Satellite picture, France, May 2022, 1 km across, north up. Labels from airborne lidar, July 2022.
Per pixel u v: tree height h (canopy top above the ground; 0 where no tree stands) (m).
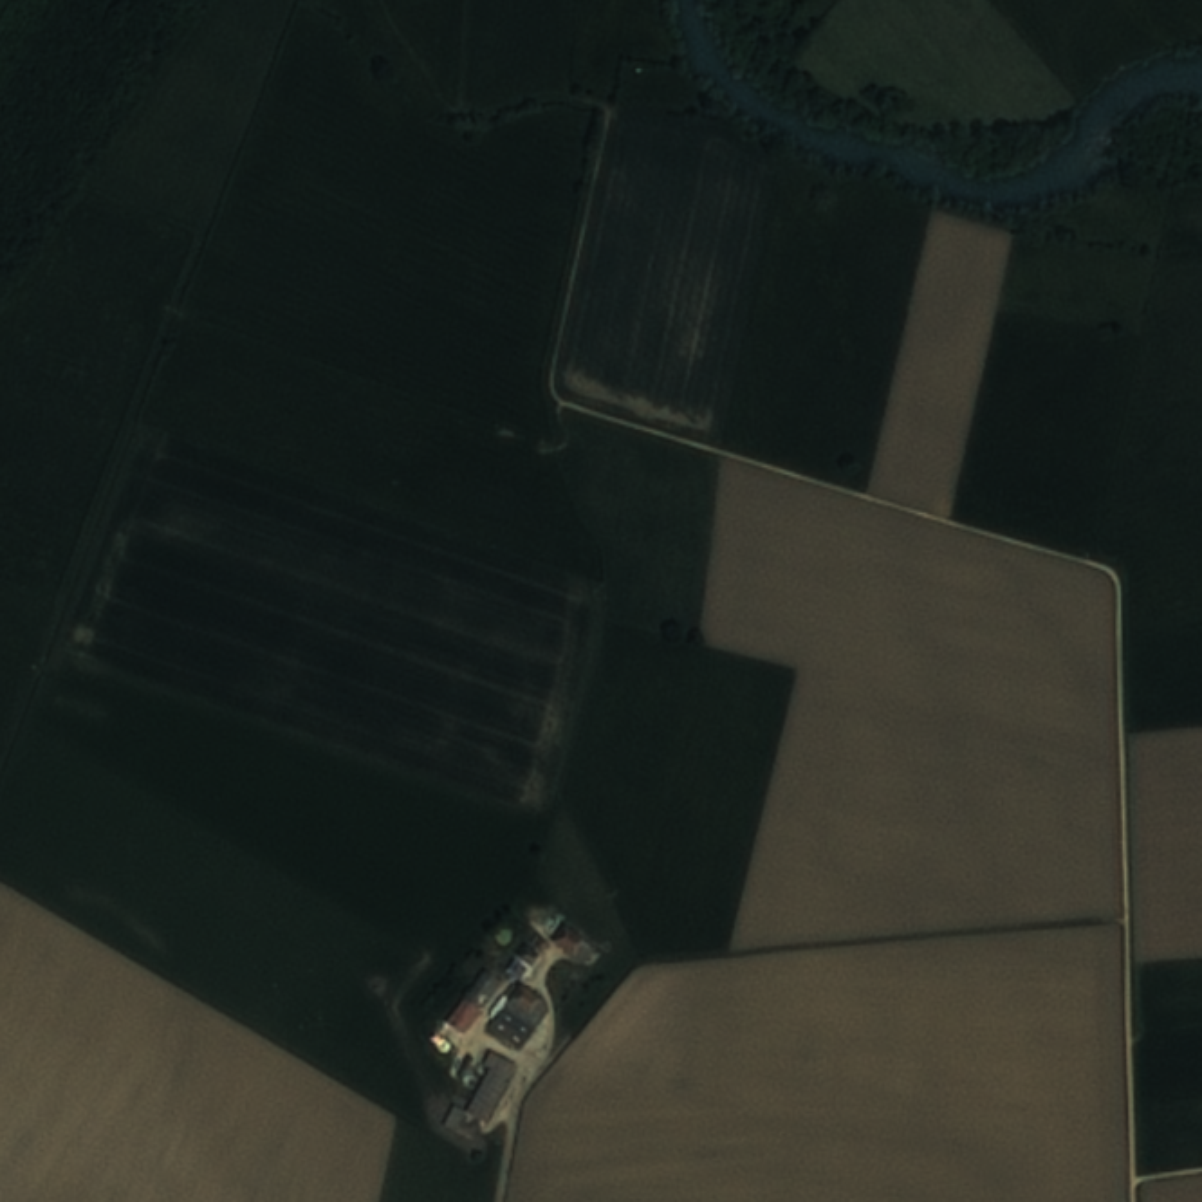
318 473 0
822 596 0
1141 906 0
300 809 0
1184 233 0
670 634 15
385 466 0
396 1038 0
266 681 0
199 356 0
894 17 0
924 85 0
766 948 0
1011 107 0
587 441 0
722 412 0
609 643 0
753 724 0
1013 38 0
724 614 0
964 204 14
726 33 16
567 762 0
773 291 0
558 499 0
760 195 0
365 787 0
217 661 0
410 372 0
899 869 0
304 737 0
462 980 7
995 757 0
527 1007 0
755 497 0
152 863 0
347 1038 0
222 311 0
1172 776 0
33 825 0
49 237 14
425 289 0
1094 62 0
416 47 0
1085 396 0
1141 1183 0
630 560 0
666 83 0
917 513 0
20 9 13
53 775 0
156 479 0
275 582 0
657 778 0
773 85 11
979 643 0
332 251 0
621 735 0
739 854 0
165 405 0
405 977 0
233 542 0
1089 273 0
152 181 0
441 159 0
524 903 0
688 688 0
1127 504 0
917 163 0
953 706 0
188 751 0
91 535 0
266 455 0
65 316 0
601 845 0
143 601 0
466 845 0
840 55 0
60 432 0
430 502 0
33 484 0
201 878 0
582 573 0
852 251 0
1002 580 0
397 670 0
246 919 0
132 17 16
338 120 0
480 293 0
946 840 0
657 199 0
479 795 0
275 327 0
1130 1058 0
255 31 0
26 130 16
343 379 0
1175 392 0
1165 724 0
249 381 0
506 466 0
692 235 0
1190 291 0
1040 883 0
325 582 0
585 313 0
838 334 0
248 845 0
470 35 0
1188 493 0
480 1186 0
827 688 0
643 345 0
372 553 0
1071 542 0
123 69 14
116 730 0
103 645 0
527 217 0
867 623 0
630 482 0
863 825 0
